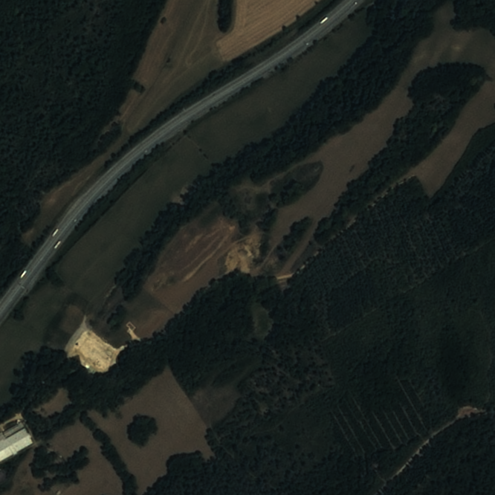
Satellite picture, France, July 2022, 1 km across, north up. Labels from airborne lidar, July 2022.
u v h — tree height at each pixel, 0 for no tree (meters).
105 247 0
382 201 11
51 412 0
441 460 20
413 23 20
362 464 17
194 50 0
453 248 15
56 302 0
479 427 26
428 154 13
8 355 0
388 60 21
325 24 0
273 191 0
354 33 0
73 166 25
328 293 13
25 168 15
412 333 17
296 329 19
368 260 11
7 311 0
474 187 15
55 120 16
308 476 15
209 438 11
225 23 21
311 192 0
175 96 0
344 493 23
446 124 7
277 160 24
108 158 0
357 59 21
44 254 0
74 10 16
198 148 0
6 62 18
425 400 9
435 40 0
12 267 16
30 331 0
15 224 21
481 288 8
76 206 0
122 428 0
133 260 23
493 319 7
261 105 0
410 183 10
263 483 22
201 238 0
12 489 0
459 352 9
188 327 23
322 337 9
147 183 0
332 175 0
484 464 22
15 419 0
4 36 18
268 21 0
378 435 12
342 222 11
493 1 22
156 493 16
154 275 0
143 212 0
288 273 0
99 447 0
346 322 12
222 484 24
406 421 11
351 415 8
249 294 19
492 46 0
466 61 0
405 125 18
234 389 0
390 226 20
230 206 17
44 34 15
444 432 11
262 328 0
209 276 0
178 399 0
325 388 14
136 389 14
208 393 0
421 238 8
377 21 18
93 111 16
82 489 0
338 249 14
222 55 0
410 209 19
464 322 6
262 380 13
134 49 19
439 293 7
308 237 0
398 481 14
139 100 0
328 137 14
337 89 26
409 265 9
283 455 18
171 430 0
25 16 16
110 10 12
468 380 11
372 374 26
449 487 21
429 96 13
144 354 19
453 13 0
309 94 0
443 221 17
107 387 17
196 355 20
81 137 12
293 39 0
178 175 0
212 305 22
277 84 0
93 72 17
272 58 0
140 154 0
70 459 13
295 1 0
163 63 0
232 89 0
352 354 6
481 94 0
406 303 16
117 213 0
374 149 0
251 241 0
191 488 25
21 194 20
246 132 0
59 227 0
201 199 12
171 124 0
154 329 0
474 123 0
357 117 22
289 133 19
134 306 0
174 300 0
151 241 17
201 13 0
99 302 0
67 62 10
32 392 18
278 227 0
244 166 23
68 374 7
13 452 0
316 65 0
